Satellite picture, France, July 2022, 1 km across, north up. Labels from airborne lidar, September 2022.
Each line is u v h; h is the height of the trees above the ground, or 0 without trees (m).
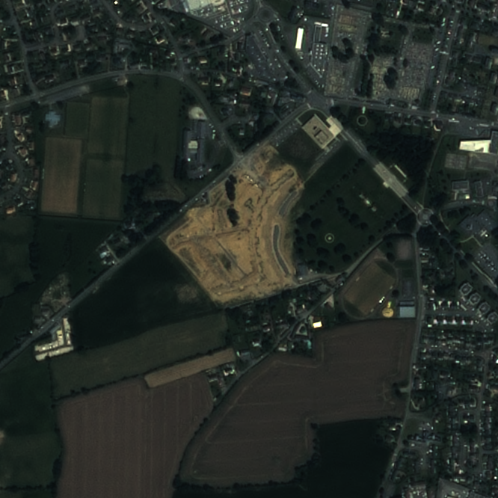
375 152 15
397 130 9
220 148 0
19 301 0
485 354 0
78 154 0
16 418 0
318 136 0
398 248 0
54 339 0
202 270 0
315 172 0
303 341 9
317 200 0
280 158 0
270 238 0
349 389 0
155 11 12
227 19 0
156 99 0
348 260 18
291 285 0
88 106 0
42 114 0
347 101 0
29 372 0
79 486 0
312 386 0
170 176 0
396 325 0
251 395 0
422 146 19
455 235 15
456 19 0
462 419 0
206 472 0
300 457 0
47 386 0
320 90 0
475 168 0
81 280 0
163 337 0
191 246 0
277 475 0
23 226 0
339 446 0
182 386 0
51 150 0
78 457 0
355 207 0
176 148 0
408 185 0
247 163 0
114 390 0
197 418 0
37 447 0
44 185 0
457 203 0
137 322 0
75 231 0
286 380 0
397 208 0
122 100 0
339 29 0
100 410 0
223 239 0
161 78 0
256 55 0
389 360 0
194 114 0
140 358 0
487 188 0
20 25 6
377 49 9
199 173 0
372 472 0
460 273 0
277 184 0
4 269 0
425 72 0
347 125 12
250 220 0
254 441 0
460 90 0
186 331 0
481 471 0
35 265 14
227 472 0
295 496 0
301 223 15
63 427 0
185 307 0
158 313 0
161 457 0
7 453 0
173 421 0
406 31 11
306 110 0
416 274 0
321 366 0
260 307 12
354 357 0
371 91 11
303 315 0
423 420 0
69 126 0
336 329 0
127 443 0
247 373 0
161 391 0
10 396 0
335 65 0
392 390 0
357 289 0
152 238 0
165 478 0
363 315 0
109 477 0
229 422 0
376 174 0
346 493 0
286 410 0
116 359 0
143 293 0
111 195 0
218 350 6
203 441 0
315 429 20
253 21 0
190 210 0
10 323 0
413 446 0
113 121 0
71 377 0
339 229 0
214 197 0
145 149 0
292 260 0
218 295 0
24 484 0
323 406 0
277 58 0
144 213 6
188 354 0
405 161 19
